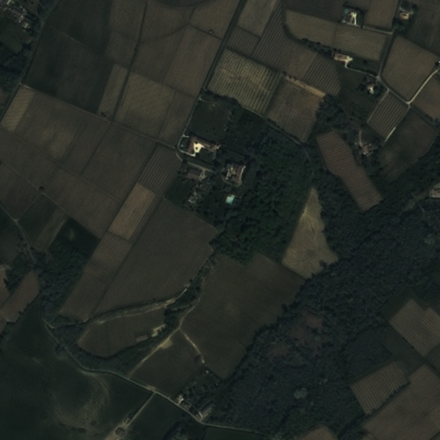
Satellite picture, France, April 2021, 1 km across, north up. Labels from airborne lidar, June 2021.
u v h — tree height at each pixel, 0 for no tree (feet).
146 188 0
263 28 0
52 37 0
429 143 0
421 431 0
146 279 0
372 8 0
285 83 0
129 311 0
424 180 25
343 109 20
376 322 48
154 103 0
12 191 0
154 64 0
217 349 0
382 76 0
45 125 0
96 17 0
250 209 68
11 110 0
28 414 0
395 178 0
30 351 0
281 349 0
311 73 0
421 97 0
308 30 0
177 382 0
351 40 0
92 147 0
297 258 0
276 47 0
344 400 34
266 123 34
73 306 0
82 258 21
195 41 0
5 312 0
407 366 0
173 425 0
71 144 0
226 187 30
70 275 22
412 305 0
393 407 0
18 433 0
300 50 0
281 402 65
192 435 0
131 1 0
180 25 0
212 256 33
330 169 0
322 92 0
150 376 0
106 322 0
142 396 0
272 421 68
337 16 0
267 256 44
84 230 0
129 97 0
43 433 0
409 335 0
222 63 0
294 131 0
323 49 23
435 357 0
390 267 45
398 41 0
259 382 47
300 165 43
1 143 0
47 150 0
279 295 0
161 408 0
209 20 0
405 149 0
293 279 0
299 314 60
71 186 0
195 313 0
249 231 79
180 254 0
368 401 0
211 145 0
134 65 0
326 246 0
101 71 0
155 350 0
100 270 0
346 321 30
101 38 0
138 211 0
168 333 22
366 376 0
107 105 0
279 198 62
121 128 0
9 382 0
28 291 0
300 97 0
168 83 0
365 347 46
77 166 0
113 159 0
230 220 40
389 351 23
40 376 0
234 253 62
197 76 0
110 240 0
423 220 84
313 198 0
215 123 0
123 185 0
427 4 0
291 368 39
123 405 0
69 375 0
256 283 0
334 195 34
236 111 54
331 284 31
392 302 0
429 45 0
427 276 45
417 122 0
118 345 0
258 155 70
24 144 0
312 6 0
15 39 0
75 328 45
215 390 42
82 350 40
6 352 0
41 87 0
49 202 0
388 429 0
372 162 28
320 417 49
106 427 0
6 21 0
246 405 55
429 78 0
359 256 60
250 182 62
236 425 53
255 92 0
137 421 0
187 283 0
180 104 0
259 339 56
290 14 0
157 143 0
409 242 81
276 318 0
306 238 0
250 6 0
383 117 0
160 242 0
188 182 21
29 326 0
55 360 0
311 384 54
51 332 46
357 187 0
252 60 0
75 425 0
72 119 0
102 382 0
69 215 0
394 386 0
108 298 0
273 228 67
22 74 61
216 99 42
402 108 0
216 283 0
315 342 0
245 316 0
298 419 73
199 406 19
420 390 0
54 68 0
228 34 0
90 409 0
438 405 0
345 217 51
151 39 0
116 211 0
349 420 39
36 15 22
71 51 0
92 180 0
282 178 62
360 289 56
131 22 0
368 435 0
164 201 0
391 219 50
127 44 0
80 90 0
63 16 0
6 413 0
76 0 0
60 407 0
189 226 0
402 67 0
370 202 0
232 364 0
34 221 0
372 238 41
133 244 0
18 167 0
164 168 0
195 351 0
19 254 17
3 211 0
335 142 0
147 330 0
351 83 0
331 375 53
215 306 0
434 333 0
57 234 0
